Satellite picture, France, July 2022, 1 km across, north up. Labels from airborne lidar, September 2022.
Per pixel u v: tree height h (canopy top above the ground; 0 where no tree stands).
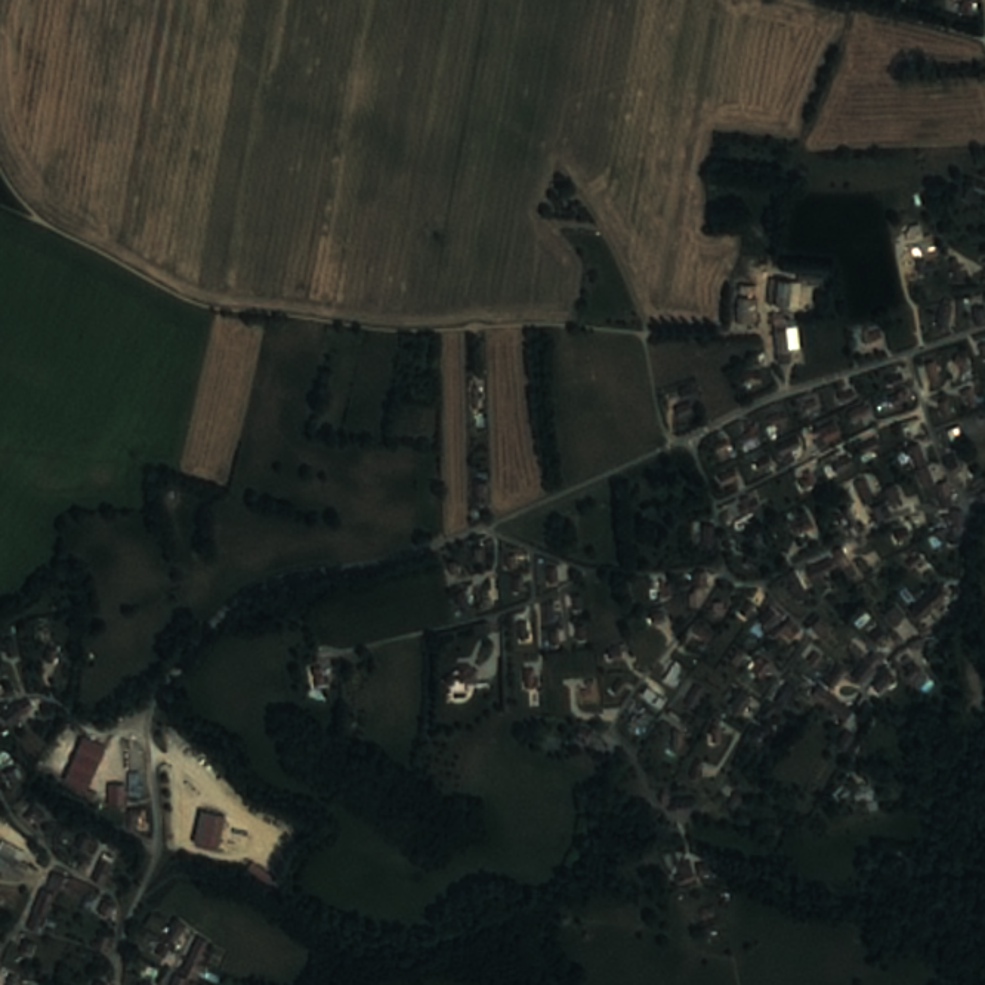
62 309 0
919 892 30
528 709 0
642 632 0
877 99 0
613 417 0
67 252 0
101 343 0
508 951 25
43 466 0
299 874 10
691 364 0
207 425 0
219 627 6
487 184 0
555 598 0
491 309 0
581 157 0
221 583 0
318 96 0
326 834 17
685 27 0
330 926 10
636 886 18
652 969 0
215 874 22
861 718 14
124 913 0
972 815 26
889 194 0
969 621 24
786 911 18
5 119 0
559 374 0
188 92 0
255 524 0
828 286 9
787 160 11
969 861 24
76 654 13
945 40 0
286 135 0
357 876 0
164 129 0
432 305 0
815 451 0
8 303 0
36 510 0
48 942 7
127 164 0
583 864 15
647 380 0
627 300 0
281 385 0
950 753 21
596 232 0
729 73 0
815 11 0
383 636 0
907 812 19
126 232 0
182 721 15
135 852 11
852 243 0
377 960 20
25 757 11
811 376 0
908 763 18
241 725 0
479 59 0
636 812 22
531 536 0
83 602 19
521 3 0
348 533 0
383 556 0
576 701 0
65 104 0
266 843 0
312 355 0
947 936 26
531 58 0
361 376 0
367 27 0
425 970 22
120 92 0
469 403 0
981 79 14
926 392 0
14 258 0
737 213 22
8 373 0
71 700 8
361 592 14
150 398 0
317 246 0
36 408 0
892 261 0
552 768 0
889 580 8
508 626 8
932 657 13
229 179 0
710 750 0
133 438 0
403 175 0
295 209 0
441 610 0
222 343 0
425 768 6
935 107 0
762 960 0
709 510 20
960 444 19
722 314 0
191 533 0
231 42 0
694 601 0
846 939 0
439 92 0
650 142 0
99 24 0
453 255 0
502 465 0
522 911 23
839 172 0
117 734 0
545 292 0
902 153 0
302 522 9
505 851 0
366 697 0
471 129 0
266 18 0
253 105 0
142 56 0
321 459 0
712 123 0
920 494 0
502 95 0
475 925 28
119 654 0
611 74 0
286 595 19
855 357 8
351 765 19
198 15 0
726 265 0
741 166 12
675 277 0
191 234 0
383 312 0
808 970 0
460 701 0
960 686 15
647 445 0
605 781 17
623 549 18
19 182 0
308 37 0
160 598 0
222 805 0
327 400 16
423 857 7
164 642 17
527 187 0
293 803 13
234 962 0
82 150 0
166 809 8
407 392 8
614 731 0
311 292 0
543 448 7
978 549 25
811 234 0
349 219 0
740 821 16
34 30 0
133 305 0
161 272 0
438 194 0
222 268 0
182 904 0
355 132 0
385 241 0
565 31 0
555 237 0
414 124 0
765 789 16
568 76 0
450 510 0
